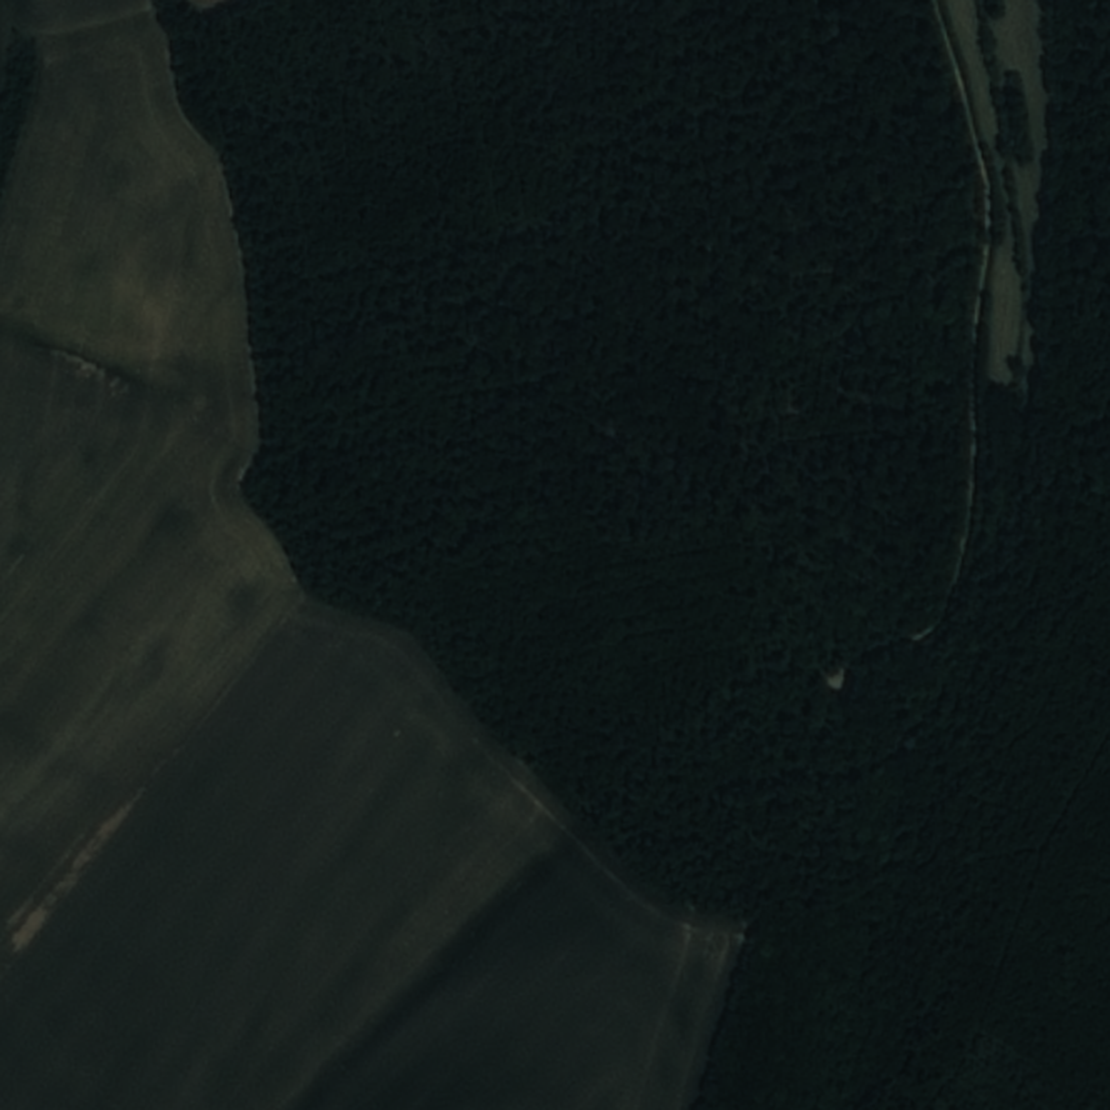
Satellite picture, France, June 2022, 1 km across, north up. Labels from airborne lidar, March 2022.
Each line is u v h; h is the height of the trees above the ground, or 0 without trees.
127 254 0
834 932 17
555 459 23
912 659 21
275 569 0
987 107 0
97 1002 0
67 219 0
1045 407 23
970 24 0
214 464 0
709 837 8
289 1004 0
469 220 6
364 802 0
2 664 0
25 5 0
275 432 16
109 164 0
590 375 16
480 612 7
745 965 12
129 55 0
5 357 0
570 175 15
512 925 0
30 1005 0
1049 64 15
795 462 19
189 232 0
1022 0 0
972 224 20
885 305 21
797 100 17
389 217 7
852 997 16
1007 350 0
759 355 21
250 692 0
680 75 19
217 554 0
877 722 24
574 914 0
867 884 20
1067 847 9
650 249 19
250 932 0
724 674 12
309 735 0
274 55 12
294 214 6
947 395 25
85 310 0
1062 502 25
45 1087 0
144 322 0
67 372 0
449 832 0
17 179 0
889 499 19
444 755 0
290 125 6
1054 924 8
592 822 16
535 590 10
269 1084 0
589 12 16
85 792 0
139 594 0
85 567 0
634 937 0
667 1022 0
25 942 0
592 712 12
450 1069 0
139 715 0
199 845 0
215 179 0
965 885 16
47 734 0
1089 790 8
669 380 24
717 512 17
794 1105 17
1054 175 17
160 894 0
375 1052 0
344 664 0
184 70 17
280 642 0
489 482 19
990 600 21
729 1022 13
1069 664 7
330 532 13
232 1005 0
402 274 14
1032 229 0
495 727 14
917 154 20
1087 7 24
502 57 16
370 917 0
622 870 0
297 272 6
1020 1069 6
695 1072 0
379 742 0
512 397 17
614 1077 0
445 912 0
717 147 16
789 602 14
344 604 11
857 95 17
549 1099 0
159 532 0
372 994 0
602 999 0
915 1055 15
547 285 17
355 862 0
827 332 25
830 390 12
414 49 0
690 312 21
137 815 0
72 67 0
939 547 18
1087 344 17
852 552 18
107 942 0
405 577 10
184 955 0
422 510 19
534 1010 0
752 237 19
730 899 19
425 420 7
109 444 0
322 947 0
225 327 0
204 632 0
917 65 28
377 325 21
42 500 0
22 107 6
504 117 8
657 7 18
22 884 0
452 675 10
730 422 22
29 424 0
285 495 21
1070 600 11
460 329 20
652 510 18
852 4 25
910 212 18
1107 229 24
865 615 0
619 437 0
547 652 7
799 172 16
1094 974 7
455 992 0
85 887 0
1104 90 24
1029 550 21
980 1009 5
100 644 0
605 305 19
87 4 0
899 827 20
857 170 21
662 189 21
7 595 0
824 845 22
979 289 0
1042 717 7
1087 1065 6
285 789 0
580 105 16
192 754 0
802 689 19
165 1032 0
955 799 17
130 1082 0
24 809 0
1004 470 21
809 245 22
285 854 0
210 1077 0
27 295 0
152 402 0
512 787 0
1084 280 22
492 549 17
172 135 0
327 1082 0
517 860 0
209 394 0
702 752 20
